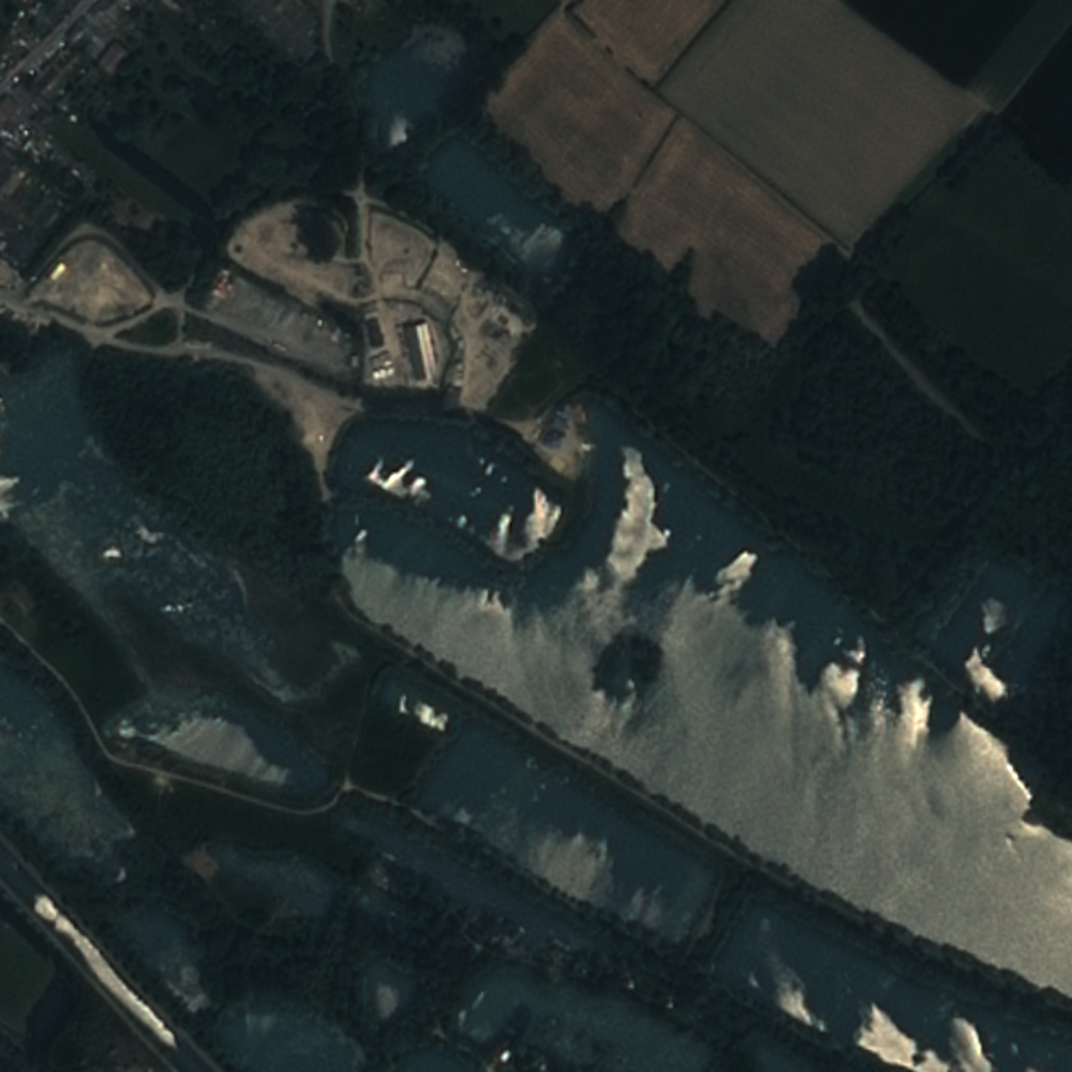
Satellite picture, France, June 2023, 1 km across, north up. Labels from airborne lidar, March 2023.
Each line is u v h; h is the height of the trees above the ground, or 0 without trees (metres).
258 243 0
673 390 10
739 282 0
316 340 0
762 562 0
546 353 0
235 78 7
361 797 6
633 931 13
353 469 0
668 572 0
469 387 0
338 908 16
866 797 0
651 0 0
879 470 9
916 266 0
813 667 0
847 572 29
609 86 0
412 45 0
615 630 0
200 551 0
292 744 0
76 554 0
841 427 21
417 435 0
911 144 0
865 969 0
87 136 0
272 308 0
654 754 0
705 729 0
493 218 0
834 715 0
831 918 22
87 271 0
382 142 0
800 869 0
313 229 29
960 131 0
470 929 8
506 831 0
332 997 18
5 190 0
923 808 0
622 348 38
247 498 19
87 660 0
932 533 0
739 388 10
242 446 19
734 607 0
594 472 0
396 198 17
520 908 0
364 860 6
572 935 0
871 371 16
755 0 0
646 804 0
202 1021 12
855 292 7
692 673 0
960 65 0
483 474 0
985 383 14
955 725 0
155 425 12
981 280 0
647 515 0
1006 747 0
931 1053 0
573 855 0
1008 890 0
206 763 0
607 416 0
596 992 23
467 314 0
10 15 9
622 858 0
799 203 0
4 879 0
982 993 21
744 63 0
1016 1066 0
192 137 0
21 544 15
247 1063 0
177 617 0
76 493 0
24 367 12
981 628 0
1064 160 0
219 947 19
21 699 0
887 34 0
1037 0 0
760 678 0
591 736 0
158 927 0
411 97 0
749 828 0
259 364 0
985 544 9
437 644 0
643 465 0
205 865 0
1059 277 0
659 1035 0
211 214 33
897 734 0
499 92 0
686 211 0
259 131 8
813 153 0
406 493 0
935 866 0
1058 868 0
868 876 0
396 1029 18
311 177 26
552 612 0
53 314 0
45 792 0
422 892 8
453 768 0
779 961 0
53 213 0
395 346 0
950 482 15
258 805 0
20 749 0
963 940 0
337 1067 0
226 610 0
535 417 0
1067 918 0
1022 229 0
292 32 0
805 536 31
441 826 7
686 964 12
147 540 0
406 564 0
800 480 0
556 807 0
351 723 0
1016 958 0
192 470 16
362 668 0
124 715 0
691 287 0
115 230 8
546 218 0
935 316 0
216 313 0
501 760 0
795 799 0
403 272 0
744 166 0
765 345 6
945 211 0
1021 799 0
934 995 0
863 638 0
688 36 0
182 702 0
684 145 0
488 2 0
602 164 0
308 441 0
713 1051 7
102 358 7
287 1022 0
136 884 7
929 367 6
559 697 0
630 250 14
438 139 6
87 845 0
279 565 21
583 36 0
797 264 0
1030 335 0
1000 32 0
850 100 0
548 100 0
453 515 0
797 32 0
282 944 12
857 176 0
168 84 13
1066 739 24
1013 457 32
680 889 0
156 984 10
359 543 0
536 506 0
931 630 0
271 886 0
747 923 0
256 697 0
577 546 0
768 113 0
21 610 0
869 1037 0
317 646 0
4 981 0
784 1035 12
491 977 0
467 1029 0
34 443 0
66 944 0
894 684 0
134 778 0
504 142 22
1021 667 0
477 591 0
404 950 20
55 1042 0
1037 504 34
